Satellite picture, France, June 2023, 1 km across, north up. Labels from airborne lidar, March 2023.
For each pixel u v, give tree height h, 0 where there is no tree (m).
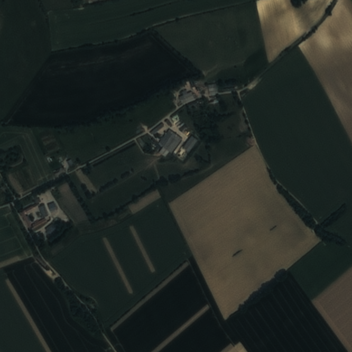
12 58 0
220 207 0
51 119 0
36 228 0
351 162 0
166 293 0
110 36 0
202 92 0
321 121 0
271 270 0
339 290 0
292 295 0
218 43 0
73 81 0
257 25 0
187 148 0
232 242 0
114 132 0
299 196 0
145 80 0
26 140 0
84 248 0
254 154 0
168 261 0
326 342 0
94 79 0
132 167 0
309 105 0
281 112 0
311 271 0
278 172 0
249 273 0
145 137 0
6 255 0
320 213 0
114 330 0
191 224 0
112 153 0
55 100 0
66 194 0
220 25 0
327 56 0
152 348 0
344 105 0
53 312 0
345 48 0
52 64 0
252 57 0
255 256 0
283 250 0
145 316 0
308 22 0
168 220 0
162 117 0
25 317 0
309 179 0
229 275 0
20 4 0
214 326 0
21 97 0
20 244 0
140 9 0
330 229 0
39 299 0
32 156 0
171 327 0
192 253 0
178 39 0
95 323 16
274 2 0
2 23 0
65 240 0
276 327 0
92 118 0
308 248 0
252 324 0
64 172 0
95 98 0
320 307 0
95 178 0
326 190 0
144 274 0
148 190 9
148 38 0
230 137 0
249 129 10
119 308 0
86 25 0
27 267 0
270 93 0
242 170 0
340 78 0
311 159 0
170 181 11
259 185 0
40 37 0
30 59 0
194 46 0
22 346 0
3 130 0
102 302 0
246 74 0
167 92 25
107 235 0
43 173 0
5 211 0
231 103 0
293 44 0
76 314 13
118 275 0
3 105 0
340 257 0
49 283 0
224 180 0
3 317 0
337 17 0
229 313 0
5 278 0
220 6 0
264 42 0
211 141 17
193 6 0
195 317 0
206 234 0
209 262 0
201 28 0
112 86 0
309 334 0
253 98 0
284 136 0
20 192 0
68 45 0
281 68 0
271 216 0
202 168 0
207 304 0
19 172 0
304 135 0
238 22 0
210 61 0
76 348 0
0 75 0
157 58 0
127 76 0
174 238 0
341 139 0
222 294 0
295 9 0
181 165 0
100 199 0
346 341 0
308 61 0
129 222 0
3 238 0
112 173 0
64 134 0
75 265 0
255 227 0
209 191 0
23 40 0
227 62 0
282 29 0
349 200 0
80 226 0
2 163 12
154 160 0
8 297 0
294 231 0
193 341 0
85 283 0
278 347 0
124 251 0
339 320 0
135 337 0
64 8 0
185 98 0
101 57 0
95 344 0
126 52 0
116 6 0
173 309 0
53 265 0
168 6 0
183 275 0
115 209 0
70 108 0
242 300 0
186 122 0
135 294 0
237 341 0
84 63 0
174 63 0
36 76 0
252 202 0
